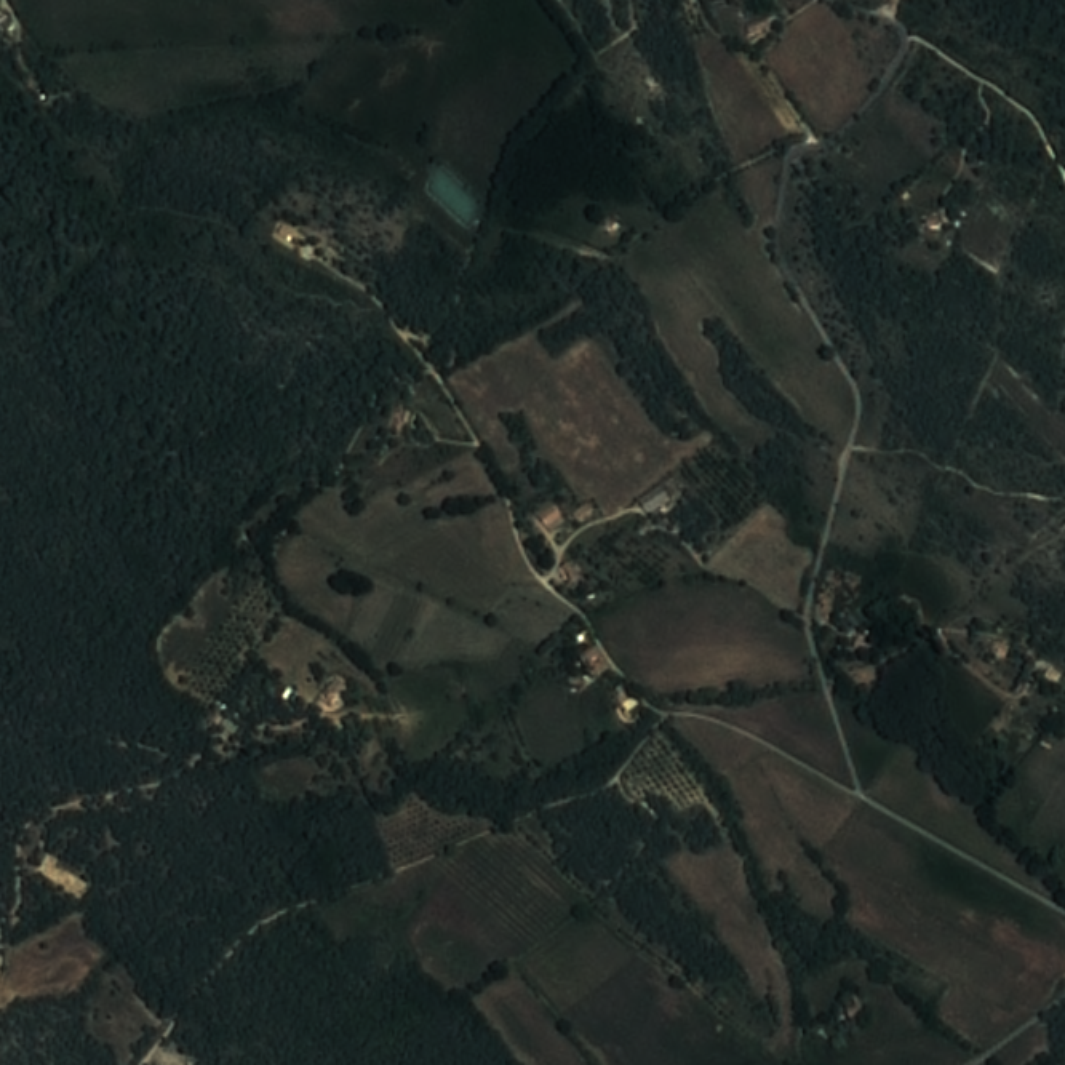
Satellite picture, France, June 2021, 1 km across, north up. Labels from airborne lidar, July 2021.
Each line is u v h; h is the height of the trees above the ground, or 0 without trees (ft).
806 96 0
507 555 0
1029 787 0
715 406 0
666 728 32
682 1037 0
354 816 51
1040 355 23
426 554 0
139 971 24
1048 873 47
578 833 24
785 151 45
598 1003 0
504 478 43
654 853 24
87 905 25
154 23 0
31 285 45
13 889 26
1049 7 26
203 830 36
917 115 0
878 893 0
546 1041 0
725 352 26
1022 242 23
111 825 32
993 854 0
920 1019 26
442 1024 38
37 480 35
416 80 0
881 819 0
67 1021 21
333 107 0
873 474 0
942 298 22
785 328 0
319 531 0
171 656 0
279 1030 21
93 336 32
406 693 0
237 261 30
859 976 0
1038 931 0
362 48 0
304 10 0
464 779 48
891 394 22
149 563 34
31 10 0
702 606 0
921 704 74
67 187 45
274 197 37
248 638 32
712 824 23
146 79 0
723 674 0
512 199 41
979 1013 0
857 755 0
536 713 0
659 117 22
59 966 0
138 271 36
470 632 0
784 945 35
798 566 0
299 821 59
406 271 37
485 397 0
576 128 41
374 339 21
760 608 0
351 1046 23
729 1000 0
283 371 23
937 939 0
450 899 0
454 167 0
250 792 37
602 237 0
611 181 29
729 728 0
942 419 19
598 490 0
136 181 24
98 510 57
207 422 51
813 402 0
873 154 0
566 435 0
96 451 26
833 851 0
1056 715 26
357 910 0
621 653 0
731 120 0
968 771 68
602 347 0
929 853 0
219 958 21
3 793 39
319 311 31
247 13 0
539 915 0
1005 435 19
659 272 0
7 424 37
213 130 24
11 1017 22
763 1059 0
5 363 38
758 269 0
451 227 0
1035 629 30
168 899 18
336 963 30
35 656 31
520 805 43
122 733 31
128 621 33
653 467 0
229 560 38
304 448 26
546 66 0
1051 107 34
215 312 35
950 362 20
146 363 49
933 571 0
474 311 25
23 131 22
